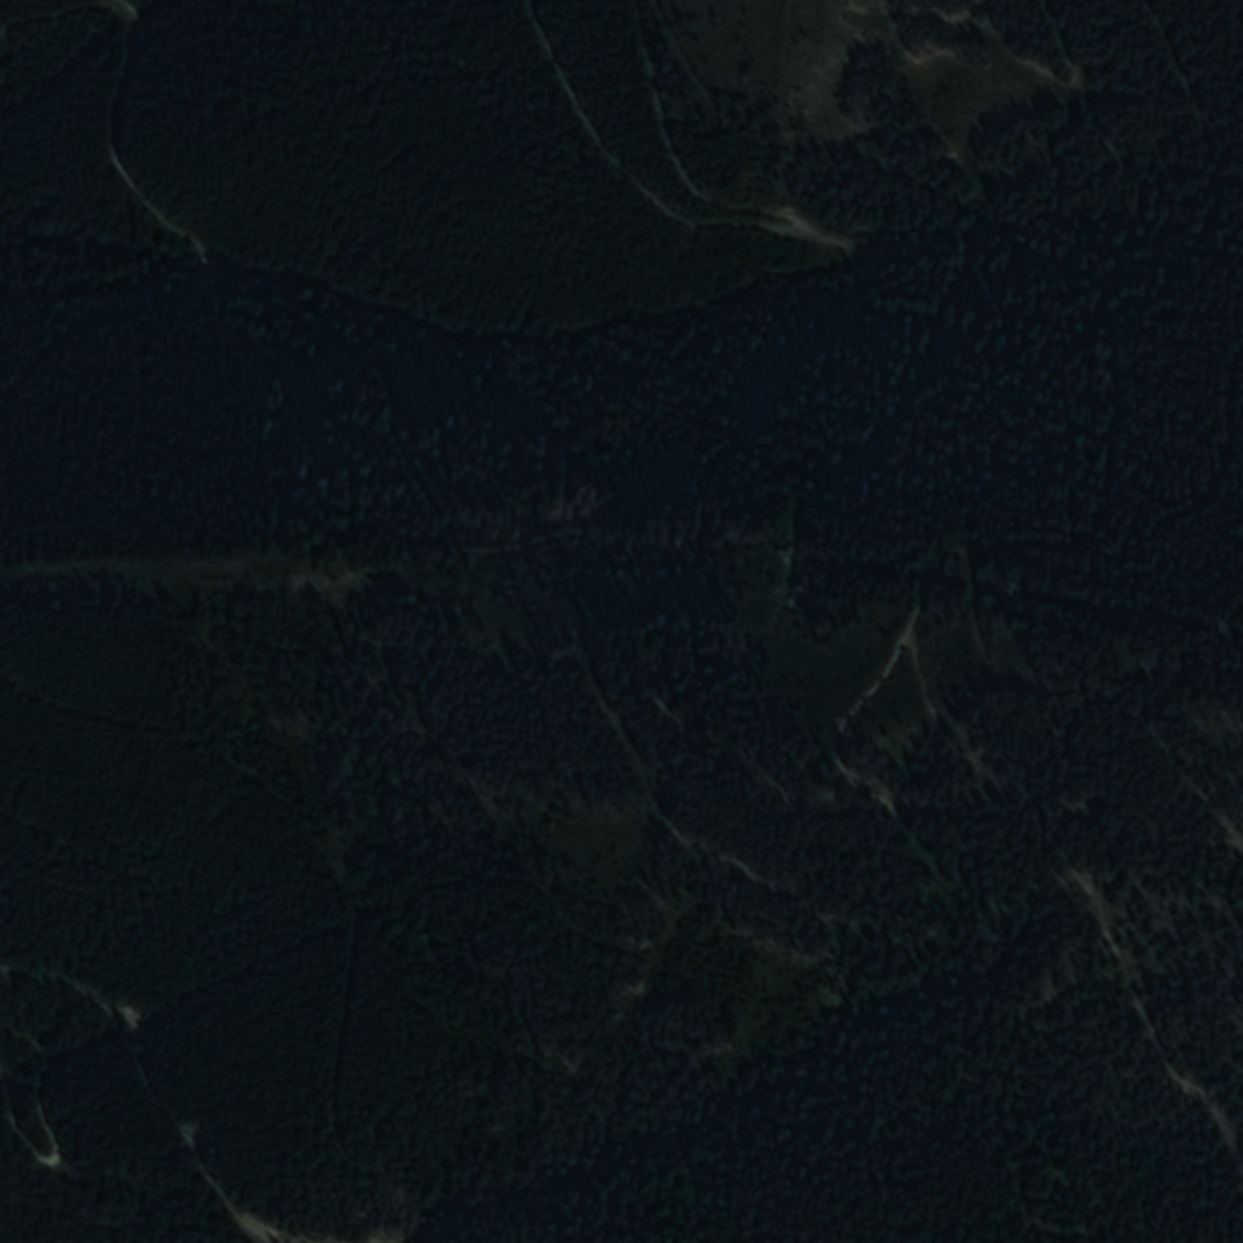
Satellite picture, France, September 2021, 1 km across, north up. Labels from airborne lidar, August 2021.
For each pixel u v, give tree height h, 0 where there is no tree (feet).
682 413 31
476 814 101
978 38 52
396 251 61
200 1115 66
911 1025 97
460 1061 56
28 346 71
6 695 62
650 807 89
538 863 27
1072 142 94
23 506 68
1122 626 37
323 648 37
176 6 66
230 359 70
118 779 73
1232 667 86
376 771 39
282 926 49
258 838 62
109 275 60
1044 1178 30
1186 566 64
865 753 76
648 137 54
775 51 0
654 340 25
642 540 81
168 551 59
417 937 55
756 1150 106
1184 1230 38
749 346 41
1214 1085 58
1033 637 87
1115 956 32
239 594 27
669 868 79
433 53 58
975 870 19
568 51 58
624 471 22
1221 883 34
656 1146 41
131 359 64
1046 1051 30
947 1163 76
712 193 40
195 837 65
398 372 41
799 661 0
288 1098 68
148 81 75
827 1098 51
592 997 54
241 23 69
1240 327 74
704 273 25
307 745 18
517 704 89
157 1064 64
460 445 113
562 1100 85
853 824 93
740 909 92
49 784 69
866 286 25
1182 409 69
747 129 27
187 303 25
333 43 66
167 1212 55
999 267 86
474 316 27
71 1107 59
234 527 60
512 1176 69
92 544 59
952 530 71
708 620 74
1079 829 91
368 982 71
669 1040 93
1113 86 83
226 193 52
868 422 77
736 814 95
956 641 0
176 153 56
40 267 52
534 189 58
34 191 70
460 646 90
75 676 63
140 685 67
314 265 74
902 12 79
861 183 74
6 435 70
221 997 59
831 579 37
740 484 35
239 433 65
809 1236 106
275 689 56
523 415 24
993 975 25
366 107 69
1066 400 82
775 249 48
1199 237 18
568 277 50
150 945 70
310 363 37
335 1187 28
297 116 70
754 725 77
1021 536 75
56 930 74
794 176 60
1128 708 80
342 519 50
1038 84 0
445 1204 59
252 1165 66
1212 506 60
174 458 62
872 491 30
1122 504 62
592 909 22
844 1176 78
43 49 62
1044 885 81
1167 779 96
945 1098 54
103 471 73
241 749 37
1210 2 61
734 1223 65
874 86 93
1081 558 72
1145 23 94
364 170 73
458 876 63
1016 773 99
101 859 87
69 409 74
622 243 50
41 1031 42
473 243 45
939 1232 46
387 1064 59
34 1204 39
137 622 70
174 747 71
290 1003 68
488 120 70
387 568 60
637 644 88
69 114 68
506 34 66
